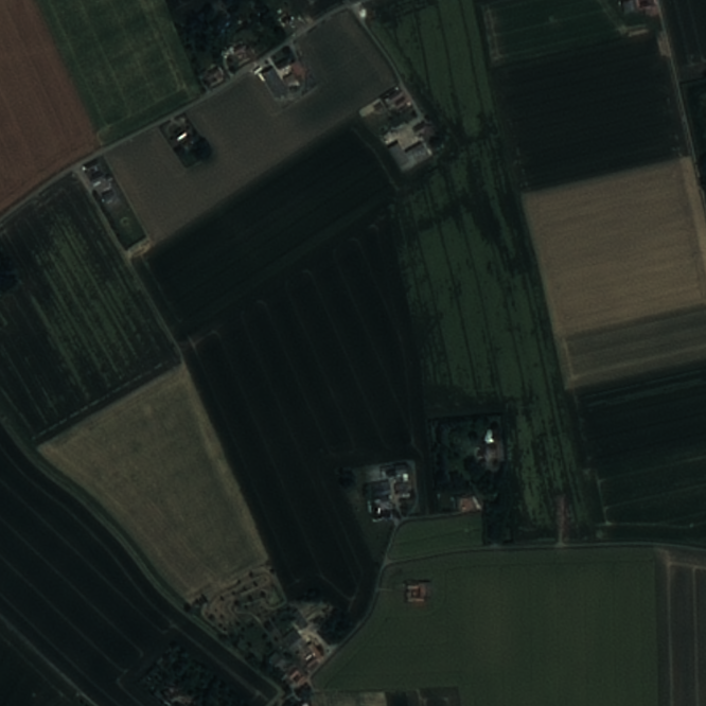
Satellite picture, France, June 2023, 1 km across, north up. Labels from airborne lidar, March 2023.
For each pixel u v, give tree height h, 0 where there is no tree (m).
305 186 0
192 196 0
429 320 0
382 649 0
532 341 0
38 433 0
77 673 0
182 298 0
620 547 0
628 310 0
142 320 0
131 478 0
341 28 0
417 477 0
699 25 0
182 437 0
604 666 0
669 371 0
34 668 0
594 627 0
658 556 0
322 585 0
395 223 0
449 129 0
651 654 0
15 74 0
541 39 0
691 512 0
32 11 0
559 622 0
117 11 0
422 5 0
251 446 0
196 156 15
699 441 0
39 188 0
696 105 0
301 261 0
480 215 0
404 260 0
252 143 0
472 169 0
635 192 0
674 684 0
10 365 0
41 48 0
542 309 0
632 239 0
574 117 0
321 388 0
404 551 0
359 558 0
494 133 0
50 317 0
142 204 0
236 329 0
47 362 0
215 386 0
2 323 0
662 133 0
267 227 0
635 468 0
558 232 0
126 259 0
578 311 0
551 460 0
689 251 0
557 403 0
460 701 0
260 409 0
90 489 0
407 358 0
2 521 0
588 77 0
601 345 0
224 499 0
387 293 0
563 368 0
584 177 0
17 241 0
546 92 0
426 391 0
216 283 0
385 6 0
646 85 0
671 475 0
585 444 0
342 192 0
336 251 0
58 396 0
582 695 0
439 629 0
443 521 0
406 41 0
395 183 0
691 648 0
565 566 0
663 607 0
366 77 0
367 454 0
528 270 0
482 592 0
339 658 0
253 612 0
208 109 0
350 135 0
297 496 0
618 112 0
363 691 0
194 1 0
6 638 0
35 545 0
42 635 0
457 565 0
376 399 0
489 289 0
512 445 0
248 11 0
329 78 0
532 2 0
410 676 0
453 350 0
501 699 0
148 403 0
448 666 0
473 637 0
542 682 0
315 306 0
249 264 0
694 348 0
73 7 0
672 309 0
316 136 0
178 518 0
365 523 0
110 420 0
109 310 0
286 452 0
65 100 0
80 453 0
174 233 0
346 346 0
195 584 0
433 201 0
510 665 0
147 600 0
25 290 0
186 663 9
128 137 0
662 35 0
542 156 0
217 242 0
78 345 0
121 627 0
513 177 0
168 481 0
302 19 0
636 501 0
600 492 0
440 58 0
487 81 0
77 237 0
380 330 0
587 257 0
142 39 0
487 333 0
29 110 0
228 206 0
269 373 0
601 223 0
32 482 0
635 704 0
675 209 0
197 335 0
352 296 0
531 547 0
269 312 0
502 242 0
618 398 0
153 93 0
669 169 0
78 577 0
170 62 0
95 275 0
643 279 0
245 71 0
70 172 0
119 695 0
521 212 0
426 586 0
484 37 0
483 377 0
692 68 0
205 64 0
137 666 0
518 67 0
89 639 0
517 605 0
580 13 0
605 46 0
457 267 0
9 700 0
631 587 0
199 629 0
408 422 0
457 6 0
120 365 0
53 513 0
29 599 0
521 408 0
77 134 0
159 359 0
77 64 0
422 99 0
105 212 10
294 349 0
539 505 0
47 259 0
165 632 0
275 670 11
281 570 0
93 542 0
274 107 0
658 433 0
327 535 0
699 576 0
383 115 0
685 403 0
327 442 0
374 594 0
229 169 0
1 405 0
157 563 0
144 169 0
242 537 0
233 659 0
